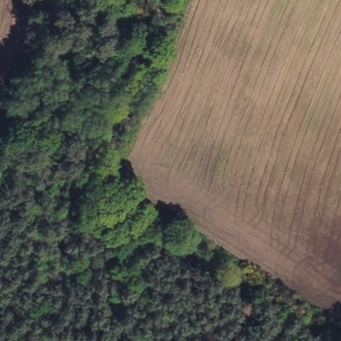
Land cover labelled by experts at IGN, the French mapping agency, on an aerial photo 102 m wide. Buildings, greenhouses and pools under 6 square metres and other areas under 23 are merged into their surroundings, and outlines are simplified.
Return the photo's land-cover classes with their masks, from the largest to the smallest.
<instances>
[{"label":"agricultural land","instance_id":"1","mask_svg":"<svg viewBox=\"0 0 341 341\"><path fill-rule=\"evenodd\" d=\"M64 0H0V149L8 144L9 128L16 125L11 119L12 116L7 113L9 103L20 100L19 88L11 80L15 77H33L36 60L44 56L48 45L45 36L51 31V24H56V21L60 20L57 8ZM180 31L174 41L177 60L170 64V72L167 84L163 85V97L155 101L149 115L141 120L140 131L125 159L131 163L137 177L144 181L147 198L151 200L149 206H153L159 213L153 224L167 228L174 221L185 220L188 217L193 225L197 226L198 232L205 234L208 240L241 260L253 261L254 264L260 265L270 277L280 278L286 286L296 290V294L301 297L300 300L321 306L324 309L322 313L326 324H334L338 329L341 328V0H190Z\"/></svg>","mask_w":341,"mask_h":341},{"label":"coniferous trees","instance_id":"2","mask_svg":"<svg viewBox=\"0 0 341 341\"><path fill-rule=\"evenodd\" d=\"M97 0H64L57 8L60 20L56 21V24H51V31L45 36L48 45L67 39L71 33H83V28H88L92 31L88 40L92 43L93 51L100 52L101 47L111 43V40H117L116 51H119L125 48L128 41L139 40L143 41L144 48L153 55V47H160L167 33L163 25L153 23L152 17H123L112 19L107 12H97ZM151 64L145 57L136 55L129 61L127 71L121 75L124 80L131 79L140 72L141 65ZM127 131L120 123L113 125L109 141H104L101 137L80 139L75 132H65L60 147L52 153L51 172L47 178L8 167L7 180L0 185V341H341V328L338 329L334 324H326L322 313L324 309L321 306L300 300L301 297L296 294V290L286 286L280 278L270 277L260 265L254 264L253 261L241 260L208 240L200 242L194 253L186 256H173L160 246L145 244L137 246L128 257L117 258L119 248H108L104 242L105 236L109 233L108 226L101 230L97 237L92 233L79 232L81 205L88 200L87 193L95 190L97 174L105 176L103 186H109L113 182L119 184L121 181L123 190L132 184V181H137V177L131 163L125 159L120 160L113 152V149L123 147V135ZM139 261L143 262L144 268L137 276L124 277L121 281L113 278V268L123 272L131 269ZM144 281L147 289L140 296L147 298V304L140 305L137 301L128 305L113 304V288L117 290L119 297H128L129 288Z\"/></svg>","mask_w":341,"mask_h":341},{"label":"deciduous trees","instance_id":"3","mask_svg":"<svg viewBox=\"0 0 341 341\"><path fill-rule=\"evenodd\" d=\"M123 0H97V12H107L112 19L123 17ZM180 31L176 29L167 33L160 47H153V55L144 48L143 41L139 40L128 41L125 48L119 51H116L117 40H111V43L101 47L100 52L93 51L92 43L88 40L92 31L88 28H83V33H71L67 39L48 45L44 56L36 60L33 77H15L11 80L19 88L20 100L9 103L7 113L12 116L11 119L16 125L9 128L8 144L0 149V185L7 180L8 167L47 178L51 172L52 153L60 147L65 132H75L80 139L101 137L104 141H109L113 125L120 123L128 115L129 107H143L144 100L151 97L156 77L161 73L170 72V64L177 60L174 41ZM136 55L145 57L151 64L141 65L140 72L131 79L124 80L121 75L127 71L129 61ZM105 176L97 174L95 190L87 193L88 200L81 205L79 232L92 233L97 237L101 230L108 226L109 233L105 236L104 242L108 248H119L117 258L128 257L137 246L145 244L160 246L173 256H186L194 253L200 242L208 240L205 234L198 232L197 226L193 225L188 217L185 220L174 221L167 228L153 224L159 213L153 206H149L151 200L147 198L144 181L137 177V181H132V184L123 190L121 181L119 184L113 182L109 186H103ZM144 268L143 262L139 261L131 269L123 272L113 268V278L121 281L124 277L137 276ZM147 289L144 281L129 288L128 297H119L117 290L113 288V304L128 305L137 301L140 305L147 304V298L140 296Z\"/></svg>","mask_w":341,"mask_h":341},{"label":"brushwood","instance_id":"4","mask_svg":"<svg viewBox=\"0 0 341 341\"><path fill-rule=\"evenodd\" d=\"M123 17H152L153 23L163 25L167 33L176 29L180 31L190 0H123ZM170 72L161 73L156 77L151 97L144 100L143 107H129L128 115L120 123L127 131L123 135V147L113 149V152L120 160L125 159L140 131L141 120L149 115L155 101L163 97V85L167 84Z\"/></svg>","mask_w":341,"mask_h":341}]
</instances>
